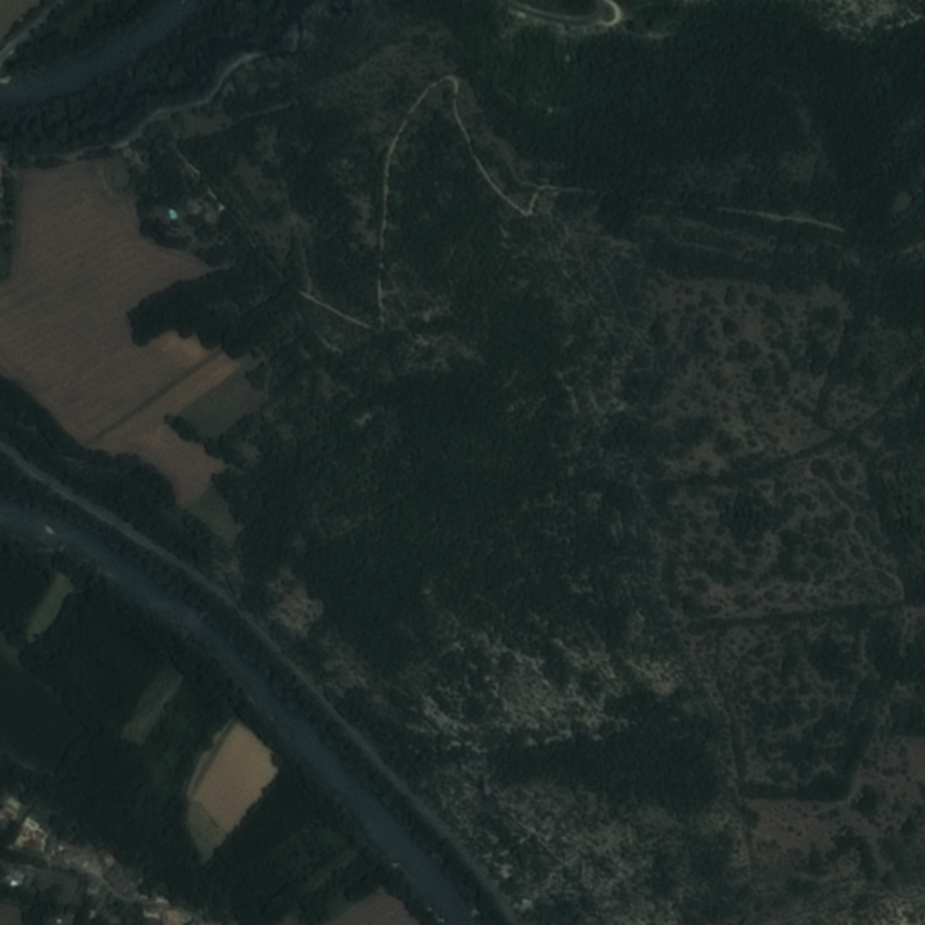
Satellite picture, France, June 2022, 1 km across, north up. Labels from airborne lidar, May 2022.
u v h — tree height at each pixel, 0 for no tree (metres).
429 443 8
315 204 10
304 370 9
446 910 0
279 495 13
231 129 7
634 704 7
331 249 9
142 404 0
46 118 24
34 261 0
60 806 7
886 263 8
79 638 11
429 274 7
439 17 7
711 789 10
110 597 21
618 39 10
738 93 9
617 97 6
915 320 7
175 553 20
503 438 7
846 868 0
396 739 11
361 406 11
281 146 8
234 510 10
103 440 0
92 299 0
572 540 6
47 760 0
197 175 6
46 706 0
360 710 14
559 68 8
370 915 0
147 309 13
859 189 14
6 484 39
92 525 18
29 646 9
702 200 9
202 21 24
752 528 8
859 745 7
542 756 8
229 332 15
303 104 7
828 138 6
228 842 7
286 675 15
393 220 6
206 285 10
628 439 7
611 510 7
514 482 9
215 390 0
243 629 17
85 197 0
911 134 6
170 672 0
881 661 10
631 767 6
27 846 0
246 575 9
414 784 7
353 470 7
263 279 8
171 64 10
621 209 12
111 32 15
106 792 17
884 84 7
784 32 15
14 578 20
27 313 0
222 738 0
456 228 8
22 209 0
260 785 0
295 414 8
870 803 9
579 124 7
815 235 12
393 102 7
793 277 8
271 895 8
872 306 7
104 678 12
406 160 7
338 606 14
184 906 7
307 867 11
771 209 5
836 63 17
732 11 12
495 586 9
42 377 0
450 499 8
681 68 7
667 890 6
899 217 8
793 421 0
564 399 6
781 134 8
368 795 0
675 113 7
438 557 8
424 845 15
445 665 7
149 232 12
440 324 8
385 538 10
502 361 9
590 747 10
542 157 8
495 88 10
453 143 7
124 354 0
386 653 11
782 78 7
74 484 18
